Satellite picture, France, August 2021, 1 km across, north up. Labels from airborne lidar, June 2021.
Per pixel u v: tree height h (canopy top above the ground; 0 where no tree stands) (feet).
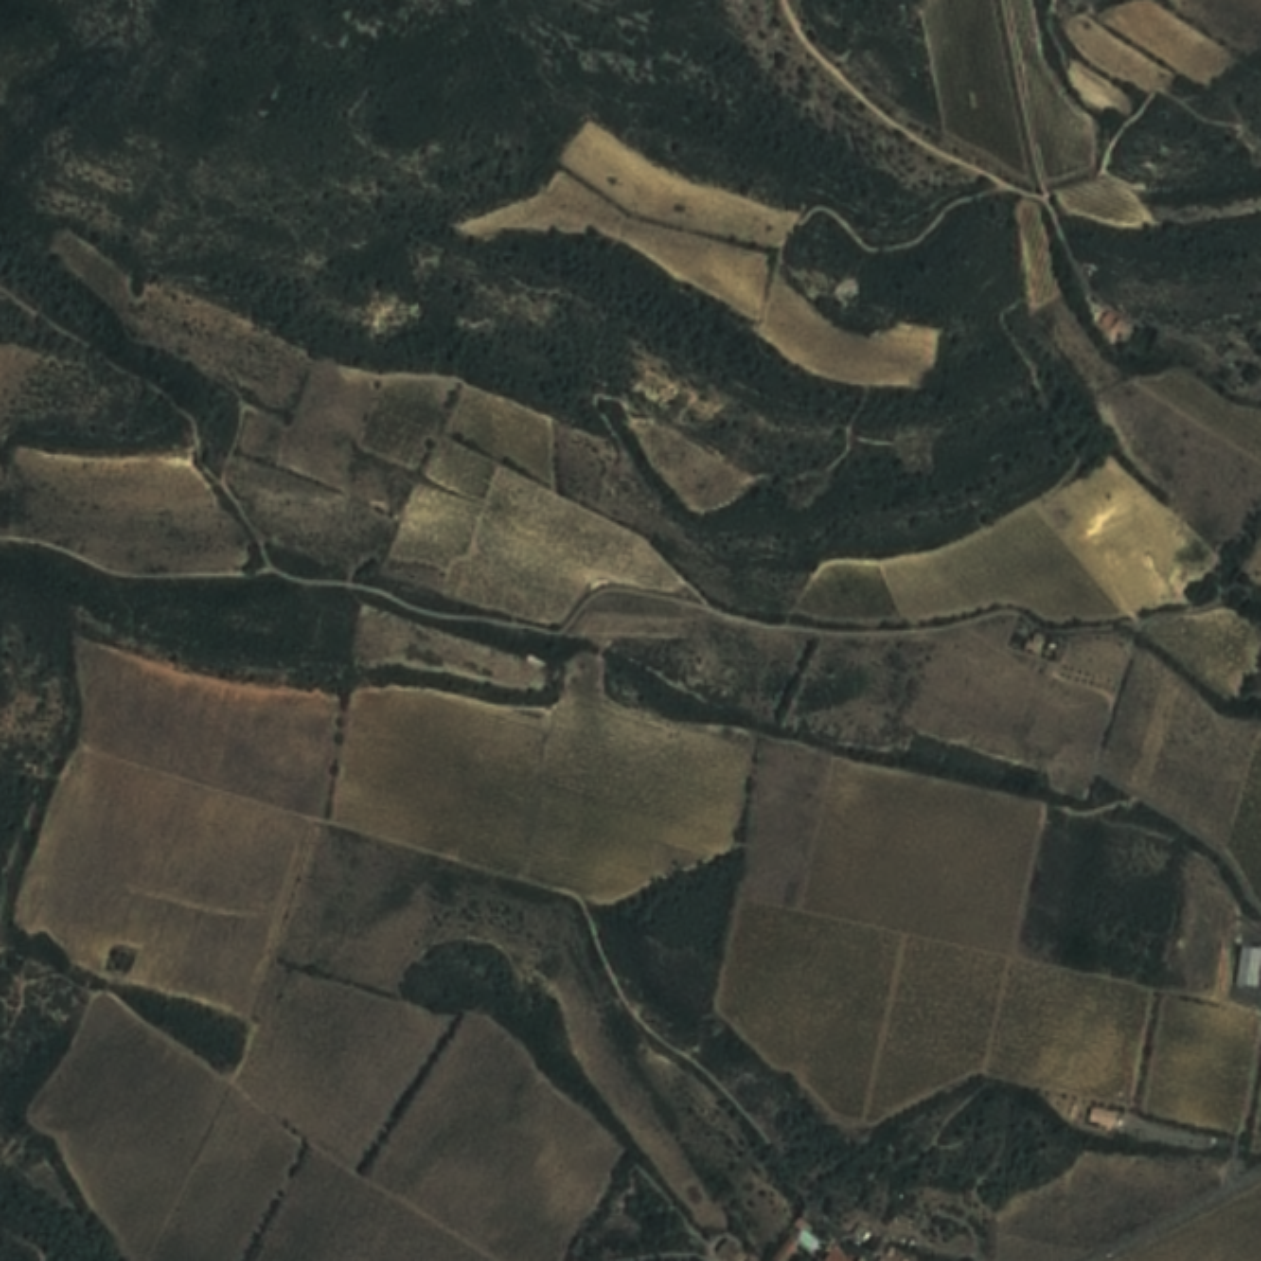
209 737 0
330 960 0
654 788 0
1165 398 0
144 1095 0
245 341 0
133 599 0
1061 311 0
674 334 33
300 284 26
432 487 0
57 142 0
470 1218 0
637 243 0
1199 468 0
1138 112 0
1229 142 29
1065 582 0
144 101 19
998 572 0
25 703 0
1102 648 0
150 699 0
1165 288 0
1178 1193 0
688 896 31
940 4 0
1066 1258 0
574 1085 22
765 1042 0
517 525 0
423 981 0
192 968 0
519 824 0
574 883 0
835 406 27
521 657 0
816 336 0
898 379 0
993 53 0
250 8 39
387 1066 0
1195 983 0
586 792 0
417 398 0
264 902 0
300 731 0
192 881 0
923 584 0
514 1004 40
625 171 0
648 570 0
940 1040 0
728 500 0
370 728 0
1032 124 0
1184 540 0
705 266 0
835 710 0
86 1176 0
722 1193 21
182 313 0
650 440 0
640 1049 0
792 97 24
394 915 0
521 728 0
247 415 0
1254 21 0
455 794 0
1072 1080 0
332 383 0
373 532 0
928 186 24
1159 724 0
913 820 0
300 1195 0
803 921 0
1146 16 0
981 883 0
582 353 19
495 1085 0
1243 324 24
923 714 0
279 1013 0
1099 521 0
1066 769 0
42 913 0
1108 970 0
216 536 0
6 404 0
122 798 0
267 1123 0
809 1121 30
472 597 0
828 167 31
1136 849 0
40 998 0
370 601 0
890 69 0
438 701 0
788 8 0
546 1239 0
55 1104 0
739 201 0
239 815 0
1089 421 52
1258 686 35
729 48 23
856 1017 0
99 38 0
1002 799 0
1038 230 0
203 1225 0
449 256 18
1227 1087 0
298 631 0
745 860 20
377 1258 0
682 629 0
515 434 0
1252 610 45
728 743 0
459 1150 0
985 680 0
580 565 0
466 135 17
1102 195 0
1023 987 0
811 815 0
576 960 0
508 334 24
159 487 0
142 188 0
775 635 0
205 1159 0
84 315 27
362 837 0
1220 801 0
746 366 26
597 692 0
